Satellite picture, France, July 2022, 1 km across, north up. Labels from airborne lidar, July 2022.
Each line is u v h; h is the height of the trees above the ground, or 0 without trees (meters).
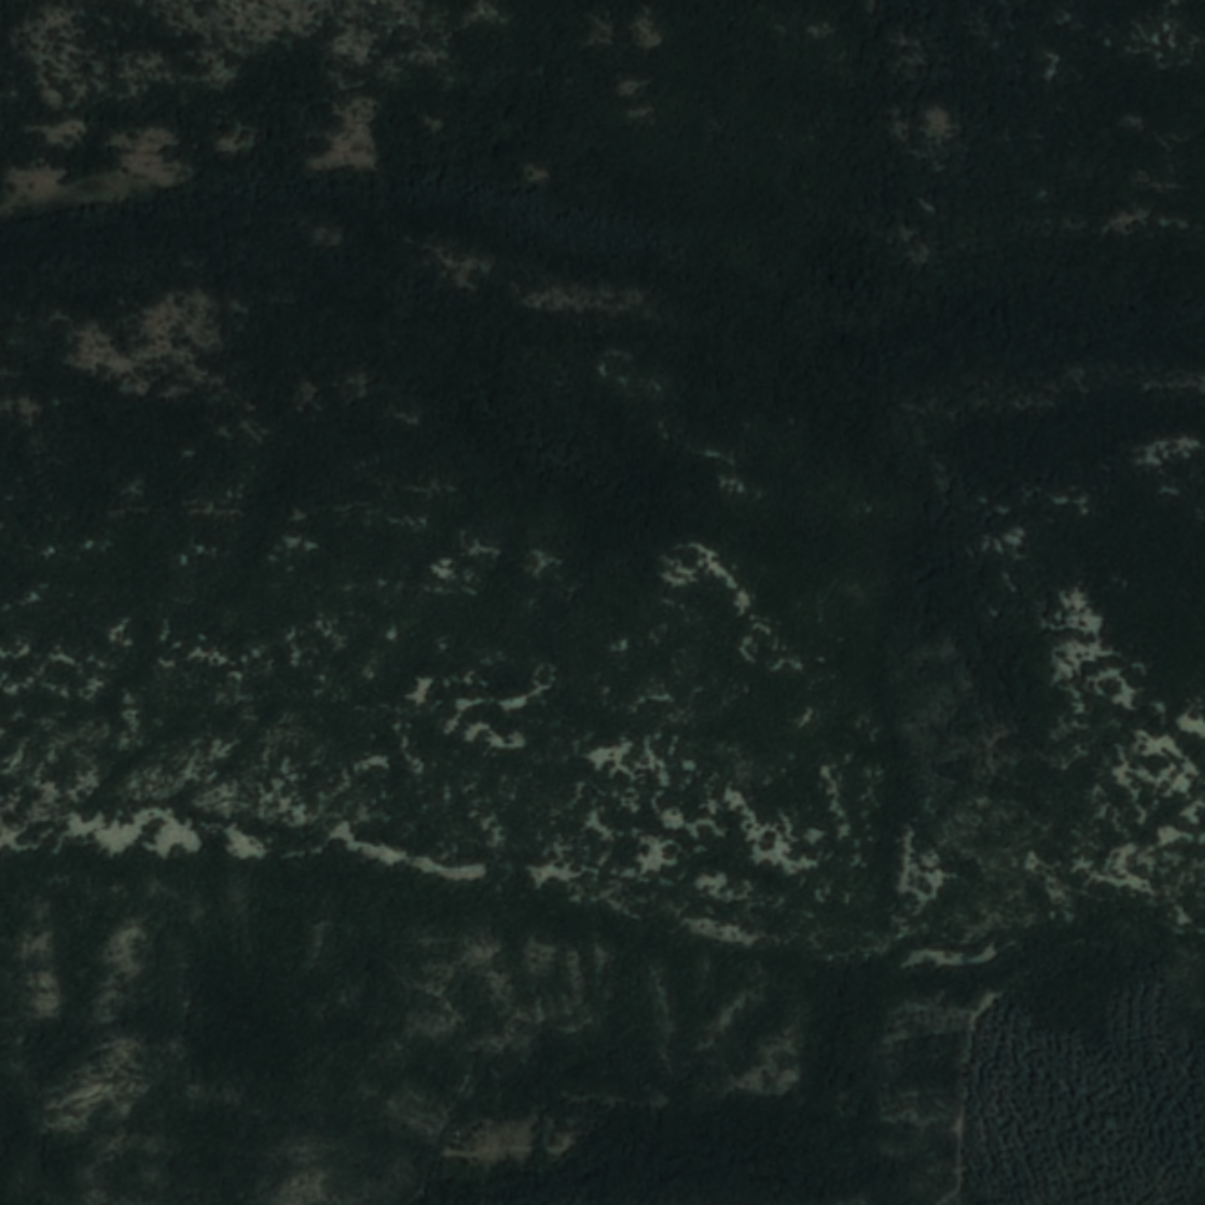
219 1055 7
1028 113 6
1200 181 8
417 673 8
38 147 6
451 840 6
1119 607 5
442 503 7
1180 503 6
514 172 8
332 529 6
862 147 11
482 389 10
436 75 6
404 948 6
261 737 7
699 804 6
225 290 8
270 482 11
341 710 8
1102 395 6
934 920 6
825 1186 7
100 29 7
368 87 9
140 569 8
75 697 6
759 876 8
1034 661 12
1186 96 8
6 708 7
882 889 9
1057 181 7
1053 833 7
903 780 10
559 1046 8
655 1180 6
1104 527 9
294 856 6
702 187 9
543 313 7
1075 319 8
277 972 6
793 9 6
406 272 7
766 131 8
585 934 9
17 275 9
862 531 8
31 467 5
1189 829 7
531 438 14
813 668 9
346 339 7
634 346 11
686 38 10
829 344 16
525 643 7
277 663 8
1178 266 10
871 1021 6
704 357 13
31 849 7
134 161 0
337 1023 7
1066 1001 7
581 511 9
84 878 6
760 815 6
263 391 6
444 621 7
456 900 7
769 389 11
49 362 6
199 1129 6
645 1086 8
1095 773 6
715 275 13
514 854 8
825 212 11
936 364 10
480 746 6
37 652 8
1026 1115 17
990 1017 13
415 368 7
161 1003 7
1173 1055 19
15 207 0
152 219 12
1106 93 8
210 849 10
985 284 8
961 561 9
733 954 7
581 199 11
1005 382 7
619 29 8
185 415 7
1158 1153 17
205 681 6
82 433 6
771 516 12
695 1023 6
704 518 7
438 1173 7
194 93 9
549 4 16
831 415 17
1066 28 8
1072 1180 11
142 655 10
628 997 6
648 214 12
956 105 8
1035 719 10
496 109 17
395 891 6
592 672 8
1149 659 6
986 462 11
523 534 8
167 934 8
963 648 6
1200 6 7
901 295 10
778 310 14
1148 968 10
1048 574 6
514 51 10
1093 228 7
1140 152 9
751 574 8
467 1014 6
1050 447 8
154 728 7
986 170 9
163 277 8
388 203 12
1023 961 9
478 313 10
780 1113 12
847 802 7
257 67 10
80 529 5
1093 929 7
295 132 9
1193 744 8
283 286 6
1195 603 6
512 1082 6
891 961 8
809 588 9
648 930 10
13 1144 10
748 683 7
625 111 8
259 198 12
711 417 14
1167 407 7
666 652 8
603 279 9
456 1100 6
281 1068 7
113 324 6
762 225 14
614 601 8
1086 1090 16
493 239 13
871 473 8
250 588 9
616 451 8
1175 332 8
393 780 6
